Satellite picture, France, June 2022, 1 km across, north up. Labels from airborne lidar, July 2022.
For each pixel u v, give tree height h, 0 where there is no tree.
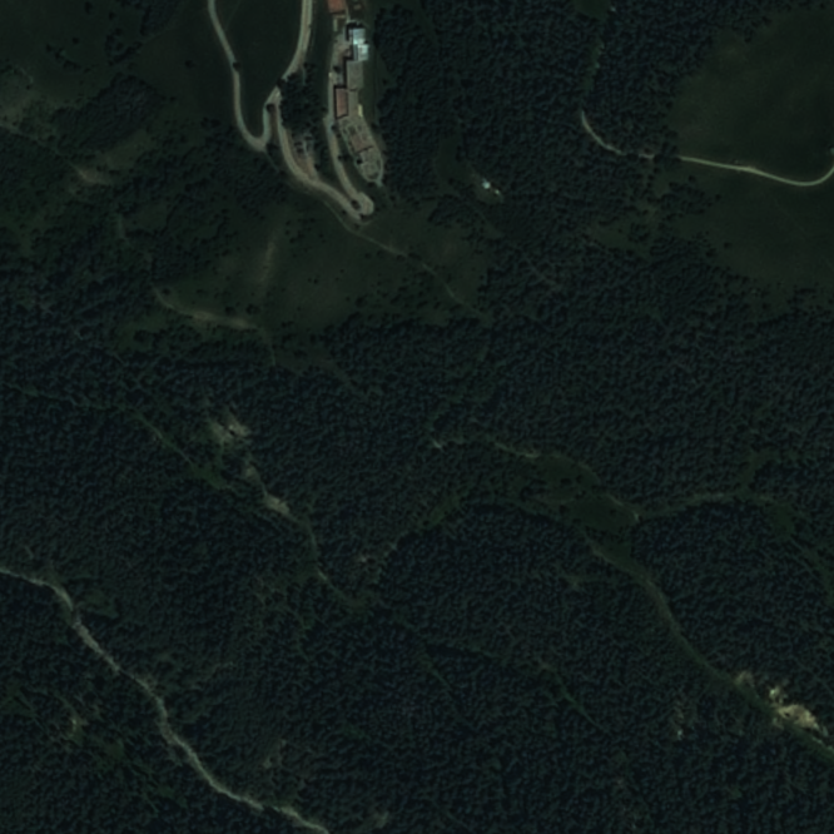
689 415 21
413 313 8
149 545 29
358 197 0
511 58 28
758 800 31
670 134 13
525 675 10
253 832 14
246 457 7
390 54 22
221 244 8
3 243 13
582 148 23
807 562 6
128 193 14
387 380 10
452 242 0
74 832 24
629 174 17
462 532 8
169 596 29
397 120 18
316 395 26
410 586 13
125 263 18
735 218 0
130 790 17
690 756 29
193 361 13
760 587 21
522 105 27
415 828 22
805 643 23
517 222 9
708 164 0
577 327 21
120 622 12
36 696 31
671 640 7
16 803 19
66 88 0
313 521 23
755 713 12
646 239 12
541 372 17
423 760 15
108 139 16
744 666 21
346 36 0
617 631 9
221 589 26
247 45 0
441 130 11
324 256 0
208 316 0
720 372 37
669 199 15
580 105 12
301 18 0
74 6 0
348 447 15
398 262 9
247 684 14
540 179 22
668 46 17
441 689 35
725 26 23
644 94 20
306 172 0
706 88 0
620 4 18
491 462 9
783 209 0
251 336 15
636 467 19
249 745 32
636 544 14
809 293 13
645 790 33
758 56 0
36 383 19
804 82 0
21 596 37
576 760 30
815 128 0
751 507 7
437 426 12
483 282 9
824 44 0
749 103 0
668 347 22
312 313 0
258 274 0
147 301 18
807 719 0
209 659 17
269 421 23
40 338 25
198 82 0
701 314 14
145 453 30
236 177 13
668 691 21
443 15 23
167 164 11
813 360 19
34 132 11
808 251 0
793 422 24
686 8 19
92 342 36
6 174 18
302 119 14
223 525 16
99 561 24
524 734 24
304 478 15
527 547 22
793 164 0
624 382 18
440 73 14
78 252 19
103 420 13
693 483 21
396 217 0
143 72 0
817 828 24
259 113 0
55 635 36
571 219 14
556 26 24
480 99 17
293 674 28
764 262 0
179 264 16
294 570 23
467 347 19
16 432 33
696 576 24
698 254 12
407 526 22
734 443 6
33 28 0
